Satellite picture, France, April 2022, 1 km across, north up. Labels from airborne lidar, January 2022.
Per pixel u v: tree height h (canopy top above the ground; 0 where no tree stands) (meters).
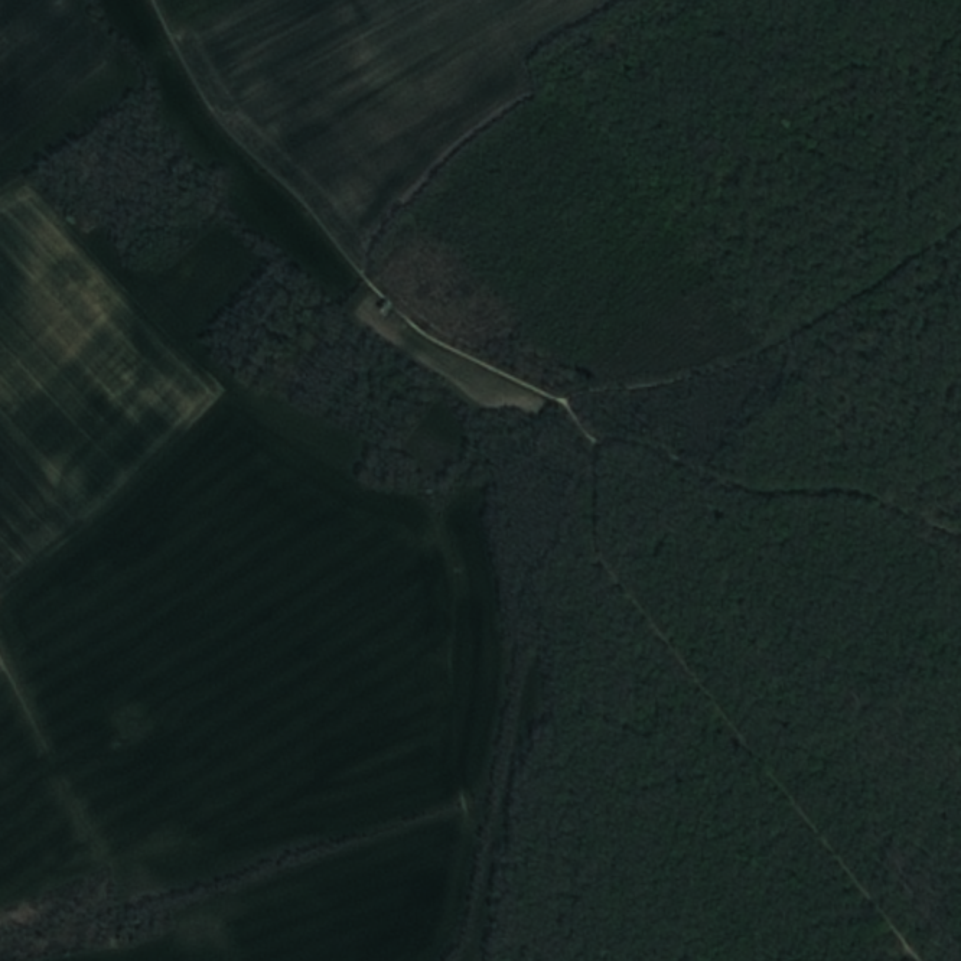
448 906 0
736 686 24
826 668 22
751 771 21
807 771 22
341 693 0
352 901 0
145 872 0
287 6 0
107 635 0
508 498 23
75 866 0
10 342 0
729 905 23
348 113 0
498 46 0
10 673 0
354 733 0
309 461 0
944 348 24
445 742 0
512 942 24
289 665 0
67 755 0
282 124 0
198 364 0
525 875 24
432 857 0
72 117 0
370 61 0
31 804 0
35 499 0
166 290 0
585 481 25
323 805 0
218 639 0
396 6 0
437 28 0
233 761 0
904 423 23
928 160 24
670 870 21
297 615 0
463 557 0
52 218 0
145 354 0
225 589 0
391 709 0
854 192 23
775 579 25
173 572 0
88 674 0
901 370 23
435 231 9
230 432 0
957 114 19
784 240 19
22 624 0
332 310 23
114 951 0
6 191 0
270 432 0
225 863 0
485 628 0
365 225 0
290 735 0
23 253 0
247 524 0
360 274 0
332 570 0
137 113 20
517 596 20
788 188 23
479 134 11
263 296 20
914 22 23
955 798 21
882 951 21
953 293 22
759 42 21
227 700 0
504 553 24
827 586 19
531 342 11
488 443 20
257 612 0
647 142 22
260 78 0
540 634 23
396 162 0
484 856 15
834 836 23
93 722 0
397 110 0
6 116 0
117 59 0
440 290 0
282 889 0
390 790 0
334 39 0
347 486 0
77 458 0
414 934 0
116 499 0
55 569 0
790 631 20
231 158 0
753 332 19
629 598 19
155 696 0
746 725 22
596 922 21
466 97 0
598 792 19
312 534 0
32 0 0
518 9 0
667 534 25
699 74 23
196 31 0
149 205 14
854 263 23
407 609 0
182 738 0
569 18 0
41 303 0
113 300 0
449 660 0
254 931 0
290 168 0
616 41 22
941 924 25
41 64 0
